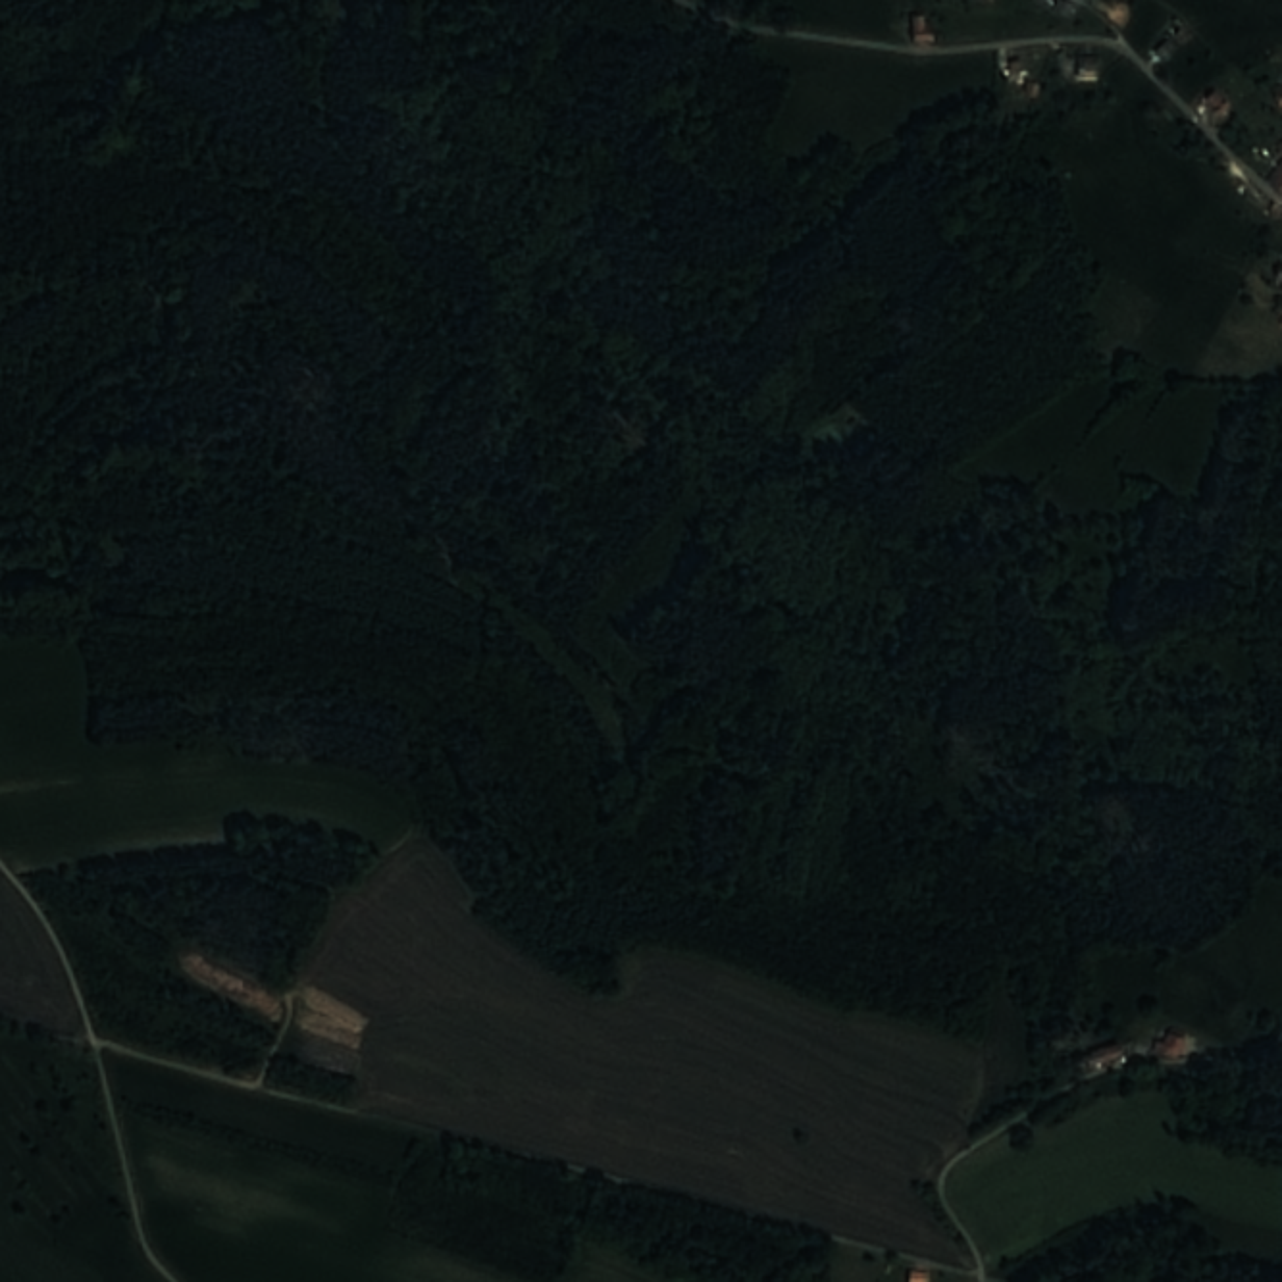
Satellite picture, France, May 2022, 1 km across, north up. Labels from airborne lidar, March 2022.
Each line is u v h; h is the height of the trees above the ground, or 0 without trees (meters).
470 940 0
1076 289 12
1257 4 0
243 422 29
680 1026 0
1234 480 24
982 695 27
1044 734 14
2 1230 0
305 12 32
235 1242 0
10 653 0
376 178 29
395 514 22
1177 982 0
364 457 30
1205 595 30
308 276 22
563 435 21
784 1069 0
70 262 18
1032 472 0
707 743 21
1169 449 0
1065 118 9
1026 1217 0
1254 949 0
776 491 22
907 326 24
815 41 0
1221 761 26
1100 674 8
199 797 0
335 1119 0
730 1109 0
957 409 13
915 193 21
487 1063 0
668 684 6
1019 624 25
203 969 0
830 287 21
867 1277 0
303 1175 0
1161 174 0
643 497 15
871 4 0
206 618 11
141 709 22
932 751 0
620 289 30
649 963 0
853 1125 0
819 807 17
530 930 12
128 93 12
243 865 19
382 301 15
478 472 25
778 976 12
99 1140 0
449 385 24
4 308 25
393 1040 0
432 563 7
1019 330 12
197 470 26
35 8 11
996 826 27
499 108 21
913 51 0
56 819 0
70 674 0
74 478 9
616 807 29
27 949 0
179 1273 0
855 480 19
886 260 21
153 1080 0
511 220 14
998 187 21
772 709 26
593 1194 21
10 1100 0
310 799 0
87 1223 0
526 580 9
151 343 12
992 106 20
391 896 0
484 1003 0
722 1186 0
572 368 19
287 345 22
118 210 14
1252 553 16
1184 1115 16
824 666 22
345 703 22
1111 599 0
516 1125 0
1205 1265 17
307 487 15
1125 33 0
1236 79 0
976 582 23
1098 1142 0
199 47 30
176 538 16
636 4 15
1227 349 0
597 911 15
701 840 26
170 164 16
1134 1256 27
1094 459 0
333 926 0
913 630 22
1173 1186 0
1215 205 0
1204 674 12
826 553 18
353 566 12
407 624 9
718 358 30
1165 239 0
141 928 13
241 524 14
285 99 29
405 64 24
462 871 19
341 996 0
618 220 30
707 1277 24
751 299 24
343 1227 0
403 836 0
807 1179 0
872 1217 0
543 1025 0
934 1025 7
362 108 30
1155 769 22
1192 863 23
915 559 21
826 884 12
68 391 18
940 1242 0
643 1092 0
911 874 18
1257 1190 0
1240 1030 0
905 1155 0
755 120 17
